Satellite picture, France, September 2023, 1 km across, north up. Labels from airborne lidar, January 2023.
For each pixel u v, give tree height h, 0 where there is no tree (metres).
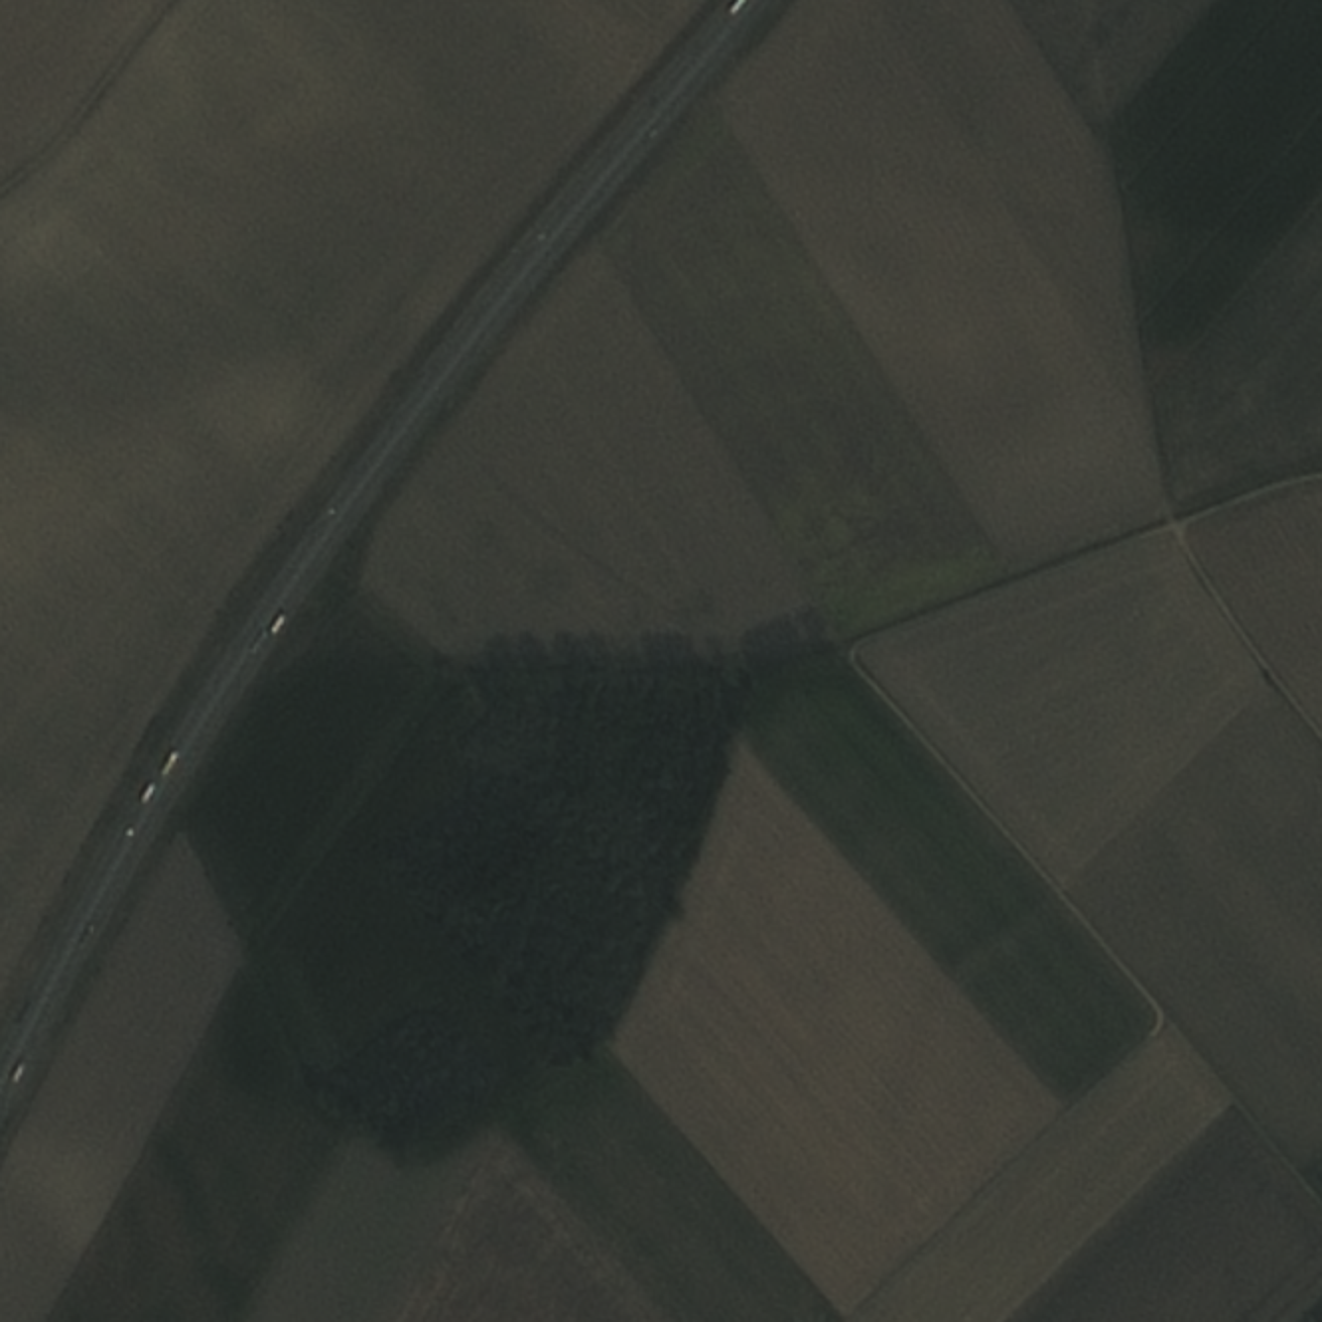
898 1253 0
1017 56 0
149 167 0
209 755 0
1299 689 0
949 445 0
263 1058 0
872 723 0
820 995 0
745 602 0
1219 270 0
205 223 0
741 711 22
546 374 0
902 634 0
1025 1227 0
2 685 0
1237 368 0
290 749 0
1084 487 0
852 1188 0
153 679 0
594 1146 0
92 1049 0
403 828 0
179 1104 0
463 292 0
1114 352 0
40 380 0
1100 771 0
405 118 0
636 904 20
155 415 0
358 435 0
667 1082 0
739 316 0
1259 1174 0
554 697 6
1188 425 0
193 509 0
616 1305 0
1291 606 0
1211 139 0
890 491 0
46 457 0
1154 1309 0
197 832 0
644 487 0
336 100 0
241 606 0
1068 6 0
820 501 0
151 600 0
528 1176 0
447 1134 34
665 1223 0
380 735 0
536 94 0
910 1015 0
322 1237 0
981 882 0
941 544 0
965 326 0
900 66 0
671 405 0
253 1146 0
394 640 0
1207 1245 0
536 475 0
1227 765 0
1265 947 0
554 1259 0
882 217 0
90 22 0
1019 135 0
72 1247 0
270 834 0
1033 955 0
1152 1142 0
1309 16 0
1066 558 0
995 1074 0
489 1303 0
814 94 0
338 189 0
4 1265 0
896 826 0
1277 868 0
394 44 0
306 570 0
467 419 0
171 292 0
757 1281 0
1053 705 0
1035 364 0
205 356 0
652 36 0
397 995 0
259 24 0
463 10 0
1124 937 0
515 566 0
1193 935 0
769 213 0
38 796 0
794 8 0
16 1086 0
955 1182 0
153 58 0
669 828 13
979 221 0
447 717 0
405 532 0
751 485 0
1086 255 0
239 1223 0
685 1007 0
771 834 0
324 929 0
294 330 0
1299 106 0
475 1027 0
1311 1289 0
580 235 0
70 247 0
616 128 0
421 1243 0
